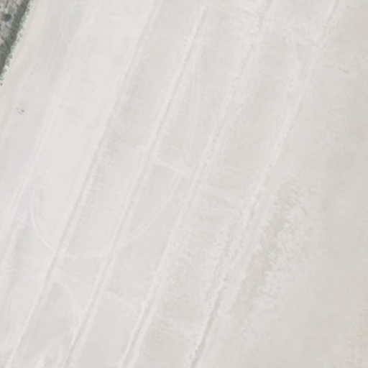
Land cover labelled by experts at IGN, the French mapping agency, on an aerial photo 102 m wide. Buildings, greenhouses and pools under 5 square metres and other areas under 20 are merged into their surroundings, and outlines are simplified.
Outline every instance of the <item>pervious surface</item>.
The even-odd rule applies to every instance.
[[[9,60],[0,78],[0,368],[368,368],[368,0],[30,0],[29,10],[24,16],[16,43],[11,49]]]

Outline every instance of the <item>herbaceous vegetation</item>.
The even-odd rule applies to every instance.
[[[0,78],[9,60],[11,49],[16,43],[24,16],[29,10],[30,0],[0,0]]]

